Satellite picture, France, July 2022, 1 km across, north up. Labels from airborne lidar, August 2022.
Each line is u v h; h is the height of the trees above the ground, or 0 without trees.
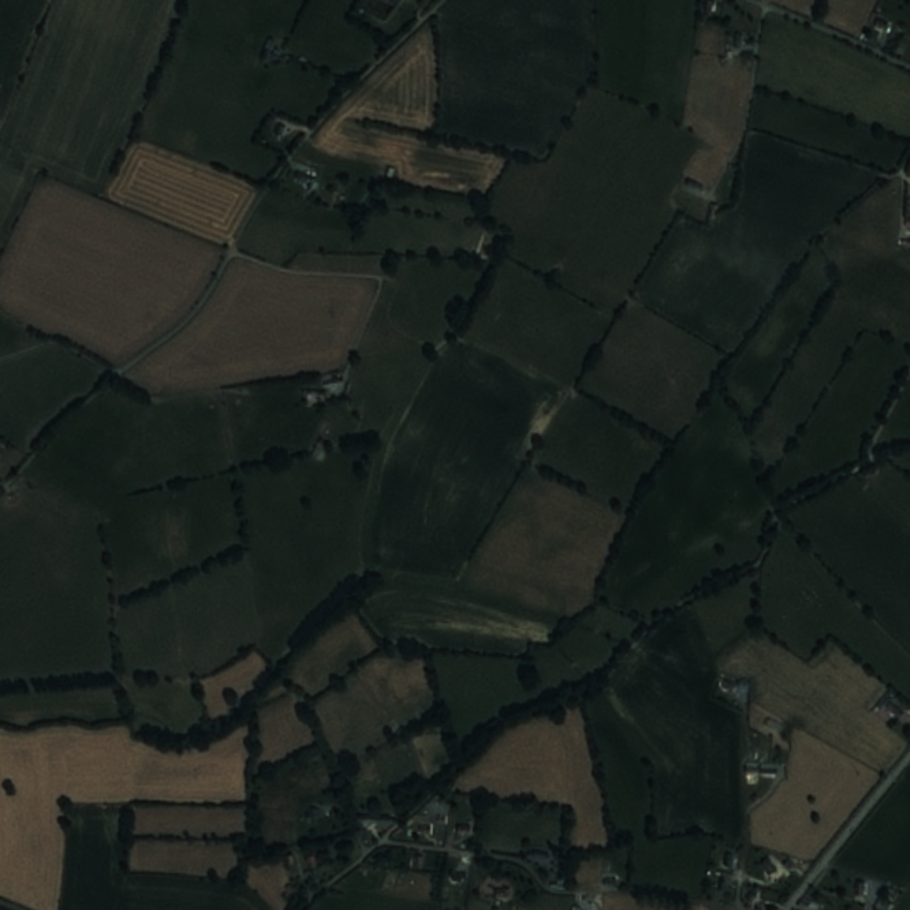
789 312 0
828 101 0
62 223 0
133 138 8
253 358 0
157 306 0
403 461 0
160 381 0
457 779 7
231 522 0
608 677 13
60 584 0
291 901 7
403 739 13
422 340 0
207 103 0
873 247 0
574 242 0
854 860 0
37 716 0
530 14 0
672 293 0
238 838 10
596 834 0
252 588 0
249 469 10
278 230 0
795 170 0
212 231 0
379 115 0
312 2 8
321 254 7
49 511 0
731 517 0
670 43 0
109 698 0
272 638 0
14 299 0
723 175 0
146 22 0
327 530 0
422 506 0
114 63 0
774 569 0
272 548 0
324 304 0
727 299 0
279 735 0
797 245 0
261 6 0
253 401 0
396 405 0
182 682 0
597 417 0
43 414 0
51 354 0
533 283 0
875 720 0
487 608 0
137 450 0
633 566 0
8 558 0
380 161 0
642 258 0
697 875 0
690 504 0
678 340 0
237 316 0
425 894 0
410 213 10
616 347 0
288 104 0
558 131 0
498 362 0
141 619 0
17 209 0
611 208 0
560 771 0
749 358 0
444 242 0
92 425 0
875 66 0
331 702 0
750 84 0
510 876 7
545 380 0
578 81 0
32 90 0
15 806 0
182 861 0
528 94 0
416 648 19
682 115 0
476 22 0
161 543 0
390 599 0
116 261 0
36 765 0
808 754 0
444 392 0
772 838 0
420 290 0
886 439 0
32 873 0
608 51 0
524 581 0
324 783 0
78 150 0
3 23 0
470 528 0
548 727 0
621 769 0
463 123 0
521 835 0
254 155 0
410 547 0
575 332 0
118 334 0
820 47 0
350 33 0
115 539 0
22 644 0
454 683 0
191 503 0
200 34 0
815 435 0
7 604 0
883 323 0
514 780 0
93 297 0
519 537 0
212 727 7
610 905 0
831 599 0
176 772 0
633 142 0
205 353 0
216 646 0
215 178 0
